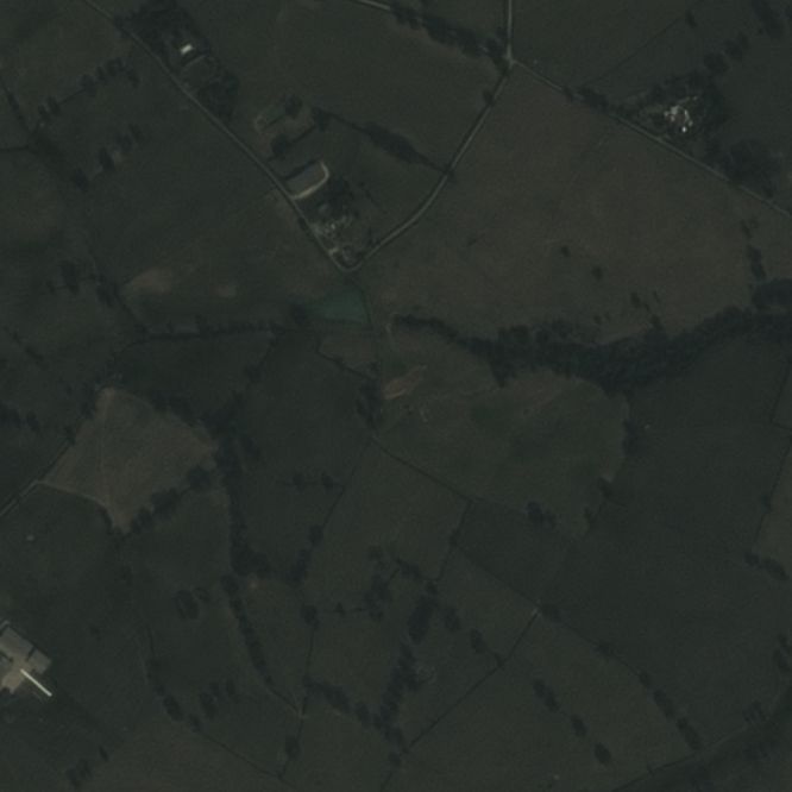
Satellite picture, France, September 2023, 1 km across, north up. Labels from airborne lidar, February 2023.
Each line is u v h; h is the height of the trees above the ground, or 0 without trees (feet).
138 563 0
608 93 0
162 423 0
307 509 0
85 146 0
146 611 0
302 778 0
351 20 0
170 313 0
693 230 0
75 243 0
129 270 0
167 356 0
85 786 0
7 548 0
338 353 0
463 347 19
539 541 0
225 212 0
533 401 0
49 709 0
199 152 0
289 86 0
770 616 0
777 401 0
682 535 0
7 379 0
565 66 0
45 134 0
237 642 0
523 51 0
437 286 0
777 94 0
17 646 0
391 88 0
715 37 0
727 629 0
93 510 0
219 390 0
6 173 0
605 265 0
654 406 0
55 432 32
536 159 0
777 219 0
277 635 0
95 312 0
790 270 0
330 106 0
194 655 0
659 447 0
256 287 0
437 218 0
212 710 54
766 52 0
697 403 0
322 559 0
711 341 44
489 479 0
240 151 0
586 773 0
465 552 0
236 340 0
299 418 0
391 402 0
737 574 0
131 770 0
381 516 0
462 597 0
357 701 0
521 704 0
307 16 0
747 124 0
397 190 0
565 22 0
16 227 0
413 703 0
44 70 0
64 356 0
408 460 0
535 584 0
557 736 0
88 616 0
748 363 0
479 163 0
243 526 48
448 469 0
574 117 0
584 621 0
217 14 0
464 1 0
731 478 0
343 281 0
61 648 0
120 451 0
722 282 0
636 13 0
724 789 0
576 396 0
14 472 0
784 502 0
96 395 35
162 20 38
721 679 0
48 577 0
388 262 0
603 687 0
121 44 0
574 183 0
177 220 0
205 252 0
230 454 56
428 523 0
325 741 0
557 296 0
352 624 0
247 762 0
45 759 0
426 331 0
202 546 0
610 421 0
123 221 0
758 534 0
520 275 0
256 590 0
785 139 0
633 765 0
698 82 38
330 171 0
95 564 0
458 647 0
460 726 0
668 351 33
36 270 0
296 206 0
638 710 0
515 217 0
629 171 0
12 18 0
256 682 0
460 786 0
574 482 0
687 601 0
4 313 0
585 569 0
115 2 0
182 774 0
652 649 0
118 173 0
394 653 0
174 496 45
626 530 0
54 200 0
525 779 0
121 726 0
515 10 0
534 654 0
